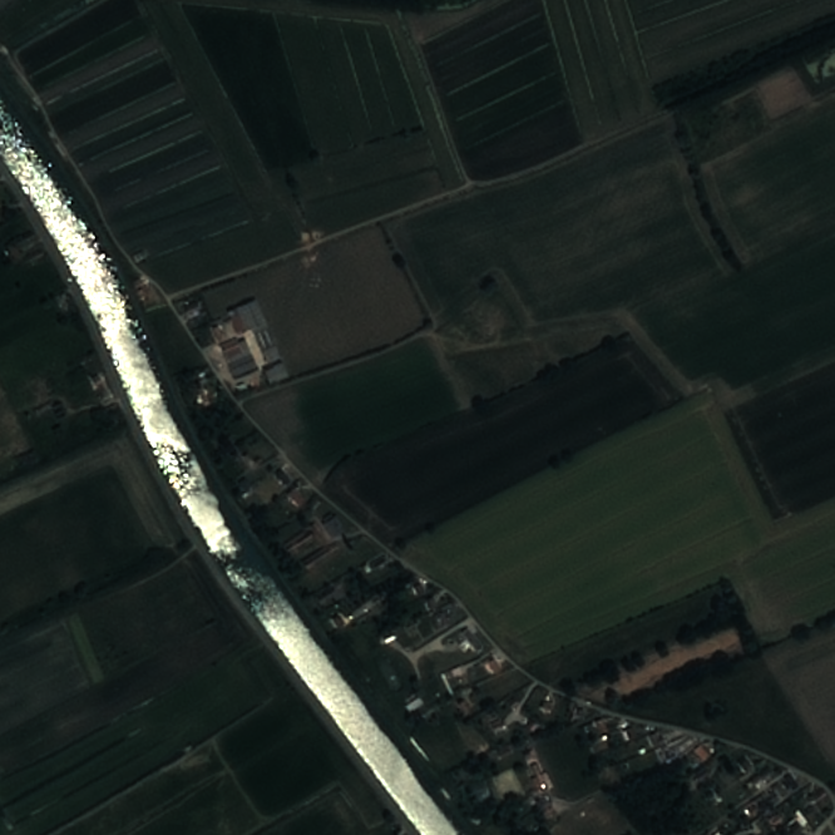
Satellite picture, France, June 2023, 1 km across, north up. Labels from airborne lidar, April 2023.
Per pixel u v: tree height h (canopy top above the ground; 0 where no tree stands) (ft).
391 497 0
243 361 0
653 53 0
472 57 0
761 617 0
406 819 0
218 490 0
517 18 0
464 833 0
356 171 0
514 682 0
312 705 0
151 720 0
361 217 0
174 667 0
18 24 0
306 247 0
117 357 0
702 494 0
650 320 0
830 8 0
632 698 21
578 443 0
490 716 0
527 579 0
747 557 0
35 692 0
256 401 0
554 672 0
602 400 0
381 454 0
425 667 0
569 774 0
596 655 0
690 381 0
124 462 0
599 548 0
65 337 0
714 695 0
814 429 0
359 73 0
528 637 0
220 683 0
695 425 0
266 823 0
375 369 0
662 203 0
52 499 0
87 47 0
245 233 0
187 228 0
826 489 0
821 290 0
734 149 0
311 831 0
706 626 39
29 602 0
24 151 0
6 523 0
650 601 0
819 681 0
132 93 0
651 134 0
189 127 0
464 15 0
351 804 0
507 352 0
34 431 0
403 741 0
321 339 0
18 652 0
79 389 0
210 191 0
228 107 0
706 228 0
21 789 0
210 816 0
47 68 0
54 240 0
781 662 0
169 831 0
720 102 0
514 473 0
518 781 0
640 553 0
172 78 0
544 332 0
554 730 38
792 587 0
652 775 51
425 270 0
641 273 0
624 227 0
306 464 0
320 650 0
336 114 0
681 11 0
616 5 0
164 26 0
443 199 0
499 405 0
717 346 0
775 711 0
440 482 0
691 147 34
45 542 0
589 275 0
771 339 0
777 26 0
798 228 0
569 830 0
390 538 0
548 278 0
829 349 0
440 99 0
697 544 0
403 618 37
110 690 0
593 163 0
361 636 0
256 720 0
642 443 0
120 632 0
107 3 0
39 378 0
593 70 0
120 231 0
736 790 0
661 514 0
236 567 0
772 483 0
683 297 0
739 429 0
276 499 24
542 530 0
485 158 0
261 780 0
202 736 0
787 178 0
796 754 0
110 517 0
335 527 0
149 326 0
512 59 0
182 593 0
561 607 0
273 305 0
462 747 0
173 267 0
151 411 0
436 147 0
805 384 0
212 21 0
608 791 55
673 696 0
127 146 0
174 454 0
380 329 0
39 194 0
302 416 0
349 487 0
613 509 0
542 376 37
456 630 0
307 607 0
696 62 0
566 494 0
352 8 0
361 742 0
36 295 0
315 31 0
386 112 0
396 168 0
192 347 0
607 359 0
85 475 0
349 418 0
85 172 0
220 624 0
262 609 0
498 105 0
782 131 0
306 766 0
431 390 0
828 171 0
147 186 0
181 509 0
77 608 0
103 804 0
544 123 0
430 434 0
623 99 0
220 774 0
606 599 0
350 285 0
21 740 0
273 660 0
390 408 0
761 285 0
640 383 0
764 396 0
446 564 0
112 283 0
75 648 0
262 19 0
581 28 0
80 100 0
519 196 0
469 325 0
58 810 0
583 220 0
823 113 0
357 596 21
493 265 0
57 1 0
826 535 0
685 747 0
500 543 0
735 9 0
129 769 0
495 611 0
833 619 43
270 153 0
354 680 0
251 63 0
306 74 0
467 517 0
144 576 0
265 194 0
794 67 0
